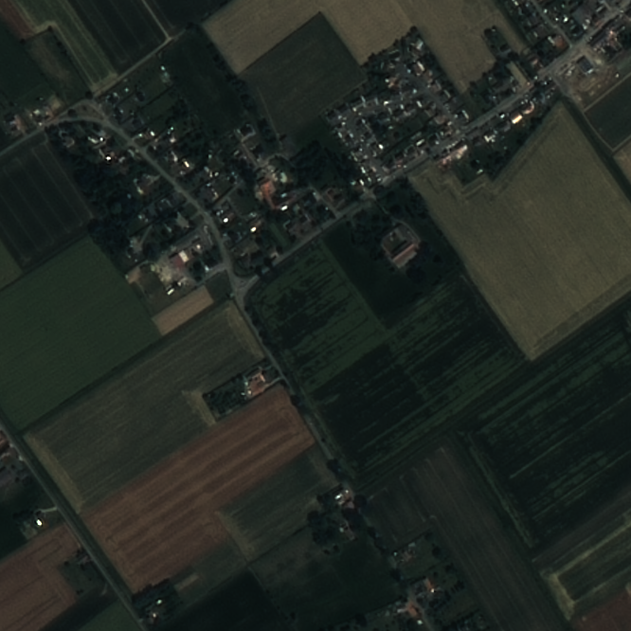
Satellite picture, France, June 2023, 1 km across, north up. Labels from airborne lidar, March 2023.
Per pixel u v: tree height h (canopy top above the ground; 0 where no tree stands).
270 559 0
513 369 0
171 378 0
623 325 0
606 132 0
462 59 0
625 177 0
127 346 0
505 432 0
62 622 0
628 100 0
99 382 0
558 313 0
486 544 0
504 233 0
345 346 0
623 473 0
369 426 0
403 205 0
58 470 0
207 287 0
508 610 0
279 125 0
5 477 0
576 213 0
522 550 0
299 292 0
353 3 0
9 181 0
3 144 0
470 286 0
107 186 16
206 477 0
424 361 0
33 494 0
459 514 0
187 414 0
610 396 0
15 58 0
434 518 0
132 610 0
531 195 0
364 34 0
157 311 0
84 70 0
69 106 0
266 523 0
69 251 0
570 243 0
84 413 0
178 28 0
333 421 0
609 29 0
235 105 0
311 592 0
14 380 0
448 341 0
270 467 0
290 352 0
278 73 0
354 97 0
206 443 0
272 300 0
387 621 0
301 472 0
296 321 0
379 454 0
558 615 0
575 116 0
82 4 0
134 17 0
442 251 0
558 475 0
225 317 0
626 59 0
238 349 0
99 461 0
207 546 0
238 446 0
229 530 0
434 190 0
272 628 0
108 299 0
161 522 0
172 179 0
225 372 0
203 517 0
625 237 0
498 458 0
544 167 0
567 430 0
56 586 0
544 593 0
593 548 0
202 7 0
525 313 0
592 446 0
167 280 0
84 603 0
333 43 0
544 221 0
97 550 0
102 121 0
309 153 7
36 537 0
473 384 0
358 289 0
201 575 0
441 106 0
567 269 0
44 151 0
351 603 0
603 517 0
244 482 0
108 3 0
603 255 0
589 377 0
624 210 0
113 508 0
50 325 0
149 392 0
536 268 0
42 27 0
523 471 0
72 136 11
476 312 0
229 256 0
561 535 0
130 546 0
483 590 0
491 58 0
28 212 0
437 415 0
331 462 0
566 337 0
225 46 0
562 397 0
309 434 0
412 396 0
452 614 0
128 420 0
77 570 0
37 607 0
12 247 0
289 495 0
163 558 0
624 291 0
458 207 0
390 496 0
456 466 0
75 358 0
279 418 0
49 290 0
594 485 0
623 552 0
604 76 0
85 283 0
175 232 12
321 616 0
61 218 0
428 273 0
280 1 0
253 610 0
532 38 0
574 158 0
